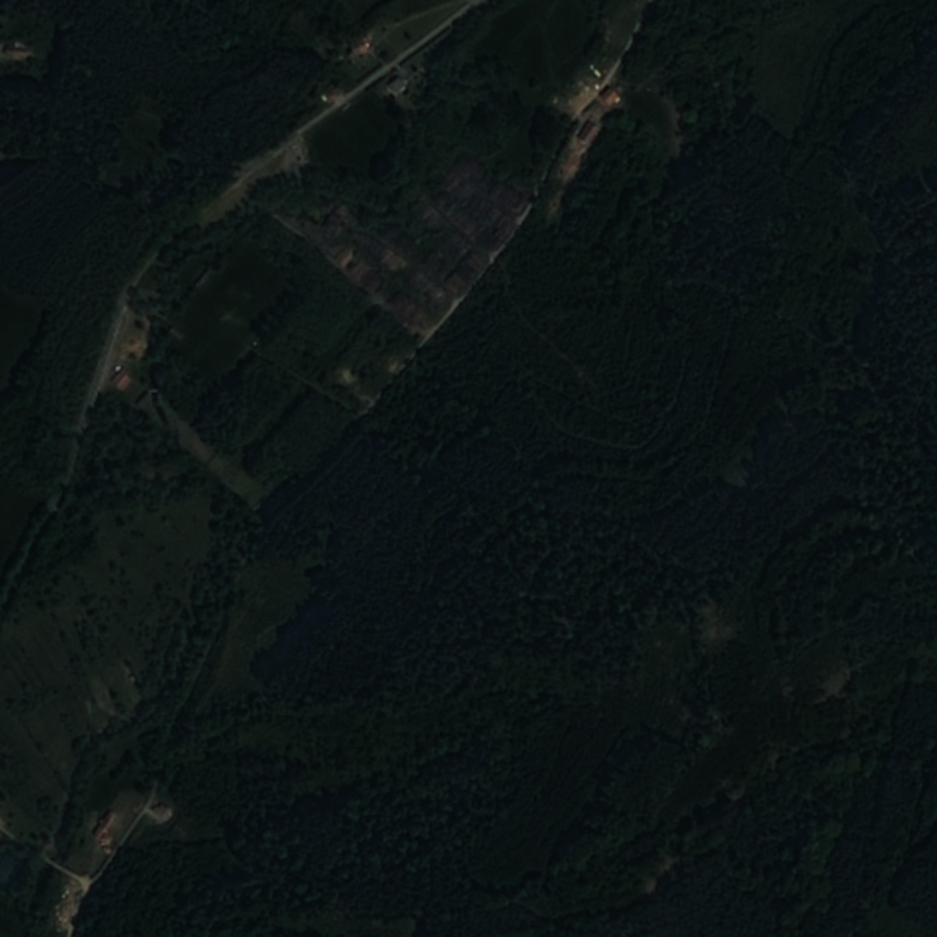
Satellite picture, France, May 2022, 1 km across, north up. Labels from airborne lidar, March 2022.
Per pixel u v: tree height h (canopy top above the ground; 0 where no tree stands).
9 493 0
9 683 0
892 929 0
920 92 31
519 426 6
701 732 10
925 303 37
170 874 5
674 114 0
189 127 22
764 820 24
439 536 30
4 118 34
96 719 0
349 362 8
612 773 27
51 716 0
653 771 24
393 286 0
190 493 22
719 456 9
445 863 34
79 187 22
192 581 0
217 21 12
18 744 0
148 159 0
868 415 27
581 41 0
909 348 37
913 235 30
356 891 32
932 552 38
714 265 28
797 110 0
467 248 0
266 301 0
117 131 33
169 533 0
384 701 31
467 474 28
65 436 25
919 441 19
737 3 7
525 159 0
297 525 24
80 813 15
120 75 28
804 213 12
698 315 6
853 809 17
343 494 24
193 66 26
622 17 0
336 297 24
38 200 23
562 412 10
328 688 17
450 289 0
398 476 31
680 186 42
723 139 21
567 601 26
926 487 18
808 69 0
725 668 6
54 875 21
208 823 15
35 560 19
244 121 19
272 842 37
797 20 0
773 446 32
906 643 25
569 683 26
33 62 10
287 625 0
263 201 22
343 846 31
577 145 0
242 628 0
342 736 10
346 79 0
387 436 10
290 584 0
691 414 6
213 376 0
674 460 7
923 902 22
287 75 29
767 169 17
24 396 20
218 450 11
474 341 7
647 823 18
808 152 9
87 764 16
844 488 36
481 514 9
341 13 18
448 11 0
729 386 8
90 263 15
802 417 26
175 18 23
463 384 8
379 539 27
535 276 6
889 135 27
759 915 33
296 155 0
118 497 24
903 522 12
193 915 26
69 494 16
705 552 32
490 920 27
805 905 25
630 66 10
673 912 26
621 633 32
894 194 7
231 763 10
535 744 19
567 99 0
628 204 20
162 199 24
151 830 0
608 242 18
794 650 6
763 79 0
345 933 0
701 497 27
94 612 12
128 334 0
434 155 0
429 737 21
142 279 0
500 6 21
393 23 0
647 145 16
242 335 0
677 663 0
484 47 0
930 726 21
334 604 33
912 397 15
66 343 16
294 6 7
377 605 31
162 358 9
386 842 30
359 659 16
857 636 21
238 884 22
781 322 9
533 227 8
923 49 35
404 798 15
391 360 0
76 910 0
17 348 0
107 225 15
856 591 8
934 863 23
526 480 22
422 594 26
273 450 14
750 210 20
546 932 33
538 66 0
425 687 32
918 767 12
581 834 27
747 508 30
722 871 32
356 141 0
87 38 31
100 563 0
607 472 8
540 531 23
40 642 0
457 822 27
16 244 23
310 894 30
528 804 15
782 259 11
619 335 6
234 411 21
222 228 17
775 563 10
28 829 0
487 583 32
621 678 36
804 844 38
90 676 0
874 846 23
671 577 10
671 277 19
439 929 27
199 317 0
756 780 10
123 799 0
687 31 8
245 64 23
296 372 0
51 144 35
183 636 12
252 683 0
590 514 15
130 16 27
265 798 29
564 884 10
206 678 0
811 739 7
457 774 33
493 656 31
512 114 32
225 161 24
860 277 27
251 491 0
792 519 31
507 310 9
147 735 11
